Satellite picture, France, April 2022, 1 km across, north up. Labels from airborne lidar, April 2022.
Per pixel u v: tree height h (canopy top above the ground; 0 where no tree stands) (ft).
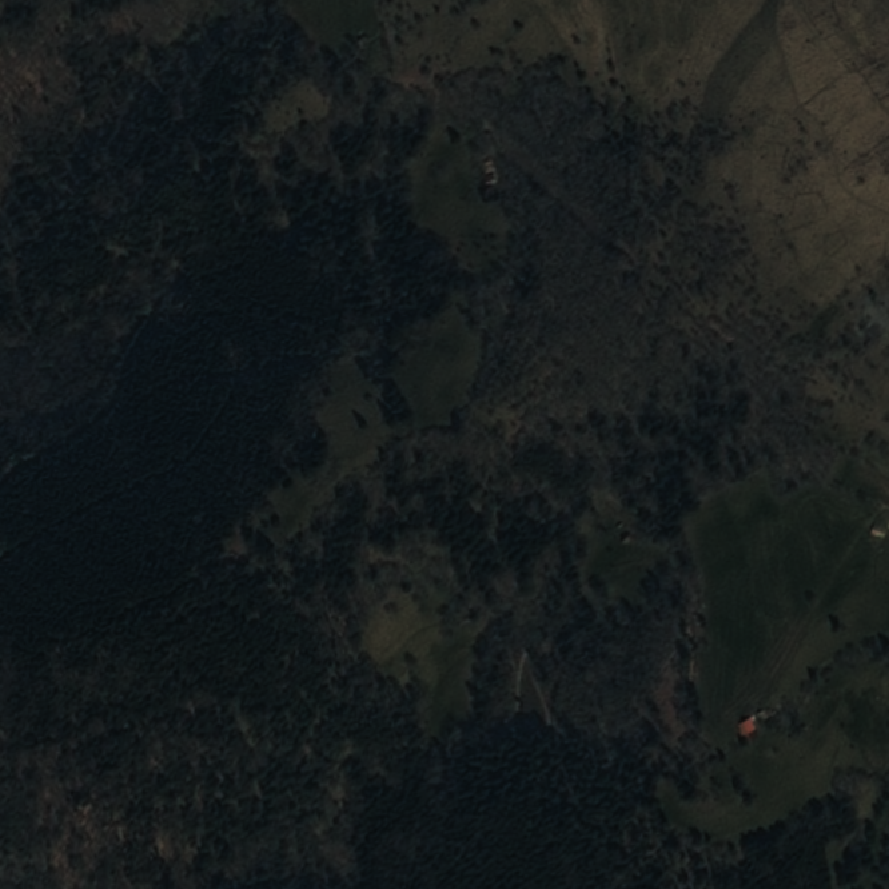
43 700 76
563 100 49
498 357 45
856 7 0
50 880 41
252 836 69
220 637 74
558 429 62
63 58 54
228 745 69
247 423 60
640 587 0
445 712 0
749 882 108
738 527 0
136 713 67
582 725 30
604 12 0
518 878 68
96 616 70
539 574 20
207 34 44
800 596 0
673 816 0
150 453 83
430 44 0
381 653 0
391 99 37
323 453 53
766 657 0
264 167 37
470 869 78
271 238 97
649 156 34
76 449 79
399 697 98
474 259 0
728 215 0
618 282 52
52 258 49
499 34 0
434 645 0
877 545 0
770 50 0
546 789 103
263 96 23
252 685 58
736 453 52
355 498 78
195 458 78
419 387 0
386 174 72
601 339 51
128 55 84
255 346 63
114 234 41
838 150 0
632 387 69
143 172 32
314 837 52
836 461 47
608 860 62
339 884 107
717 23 0
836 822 78
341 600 103
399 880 55
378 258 46
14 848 32
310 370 82
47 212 57
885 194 0
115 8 83
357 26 0
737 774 33
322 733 50
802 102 0
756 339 29
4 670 69
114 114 34
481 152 65
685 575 45
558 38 0
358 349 61
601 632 40
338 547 85
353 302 80
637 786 51
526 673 0
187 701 80
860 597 0
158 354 77
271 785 58
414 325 68
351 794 70
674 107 22
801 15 0
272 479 54
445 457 55
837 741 0
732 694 0
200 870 91
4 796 61
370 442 0
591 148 41
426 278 76
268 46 51
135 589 67
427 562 66
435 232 0
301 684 61
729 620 0
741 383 37
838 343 25
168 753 90
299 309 100
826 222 0
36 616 75
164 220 63
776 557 0
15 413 62
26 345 20
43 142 111
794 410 24
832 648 0
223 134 70
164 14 52
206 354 66
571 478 91
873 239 0
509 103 23
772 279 0
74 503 78
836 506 0
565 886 79
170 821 74
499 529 20
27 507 83
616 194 57
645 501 68
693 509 72
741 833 0
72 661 75
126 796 104
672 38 0
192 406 67
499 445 46
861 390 36
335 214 75
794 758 0
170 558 73
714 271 28
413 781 108
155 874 92
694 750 33
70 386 73
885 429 0
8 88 80
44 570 70
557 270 57
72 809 103
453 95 29
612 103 32
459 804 75
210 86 54
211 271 97
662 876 86
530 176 31
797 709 41
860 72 0
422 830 70
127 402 61
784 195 0
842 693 0
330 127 24
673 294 37
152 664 78
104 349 59
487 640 33
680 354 35
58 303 67
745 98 0
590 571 0
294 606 63
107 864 99
